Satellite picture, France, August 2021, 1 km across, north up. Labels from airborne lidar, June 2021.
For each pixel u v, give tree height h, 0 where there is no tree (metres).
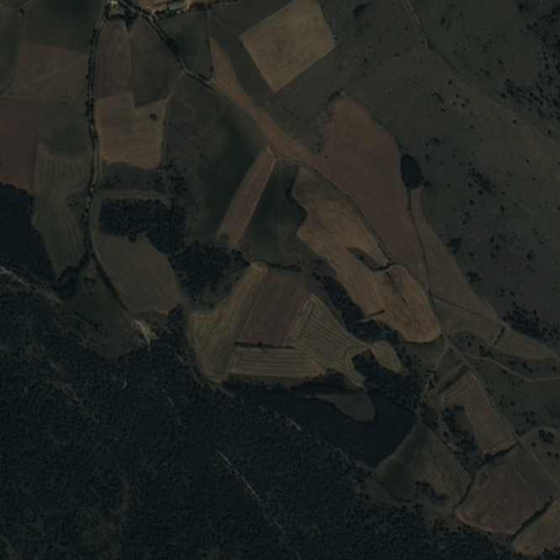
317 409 17
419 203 0
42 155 0
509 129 0
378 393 14
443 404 0
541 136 0
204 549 7
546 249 0
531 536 0
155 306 0
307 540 9
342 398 0
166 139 0
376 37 0
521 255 0
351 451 11
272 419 9
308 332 0
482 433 0
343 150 0
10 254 19
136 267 0
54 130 0
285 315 0
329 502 10
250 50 0
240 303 0
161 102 0
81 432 8
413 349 0
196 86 0
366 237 0
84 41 0
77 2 0
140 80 0
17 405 8
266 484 8
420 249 0
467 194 0
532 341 0
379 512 9
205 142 0
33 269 19
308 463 10
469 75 0
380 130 0
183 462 5
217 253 7
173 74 0
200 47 0
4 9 0
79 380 8
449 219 0
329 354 0
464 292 0
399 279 0
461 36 0
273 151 0
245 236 0
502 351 0
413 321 0
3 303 8
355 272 0
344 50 0
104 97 0
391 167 0
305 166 0
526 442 0
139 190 0
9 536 6
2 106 0
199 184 0
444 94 0
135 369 9
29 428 9
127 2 8
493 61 0
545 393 0
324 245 0
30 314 7
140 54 0
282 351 0
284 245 0
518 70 0
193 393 9
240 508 10
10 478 8
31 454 7
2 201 20
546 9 0
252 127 0
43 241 17
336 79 0
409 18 0
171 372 8
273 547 9
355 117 0
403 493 0
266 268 0
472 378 0
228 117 0
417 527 7
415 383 7
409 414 16
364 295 0
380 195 0
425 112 0
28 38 0
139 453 8
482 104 0
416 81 0
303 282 0
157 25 6
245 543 8
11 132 0
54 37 0
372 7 0
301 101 0
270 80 0
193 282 7
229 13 0
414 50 0
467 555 10
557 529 0
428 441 0
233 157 0
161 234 10
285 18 0
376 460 17
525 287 0
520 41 0
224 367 0
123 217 8
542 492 0
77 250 0
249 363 0
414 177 16
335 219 0
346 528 9
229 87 0
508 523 0
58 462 7
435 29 0
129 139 0
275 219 0
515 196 0
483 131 0
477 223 0
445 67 0
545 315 0
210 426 8
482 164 0
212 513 10
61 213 0
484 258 0
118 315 0
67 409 8
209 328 0
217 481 6
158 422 9
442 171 0
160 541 10
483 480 0
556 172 0
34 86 0
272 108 0
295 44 0
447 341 0
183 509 9
